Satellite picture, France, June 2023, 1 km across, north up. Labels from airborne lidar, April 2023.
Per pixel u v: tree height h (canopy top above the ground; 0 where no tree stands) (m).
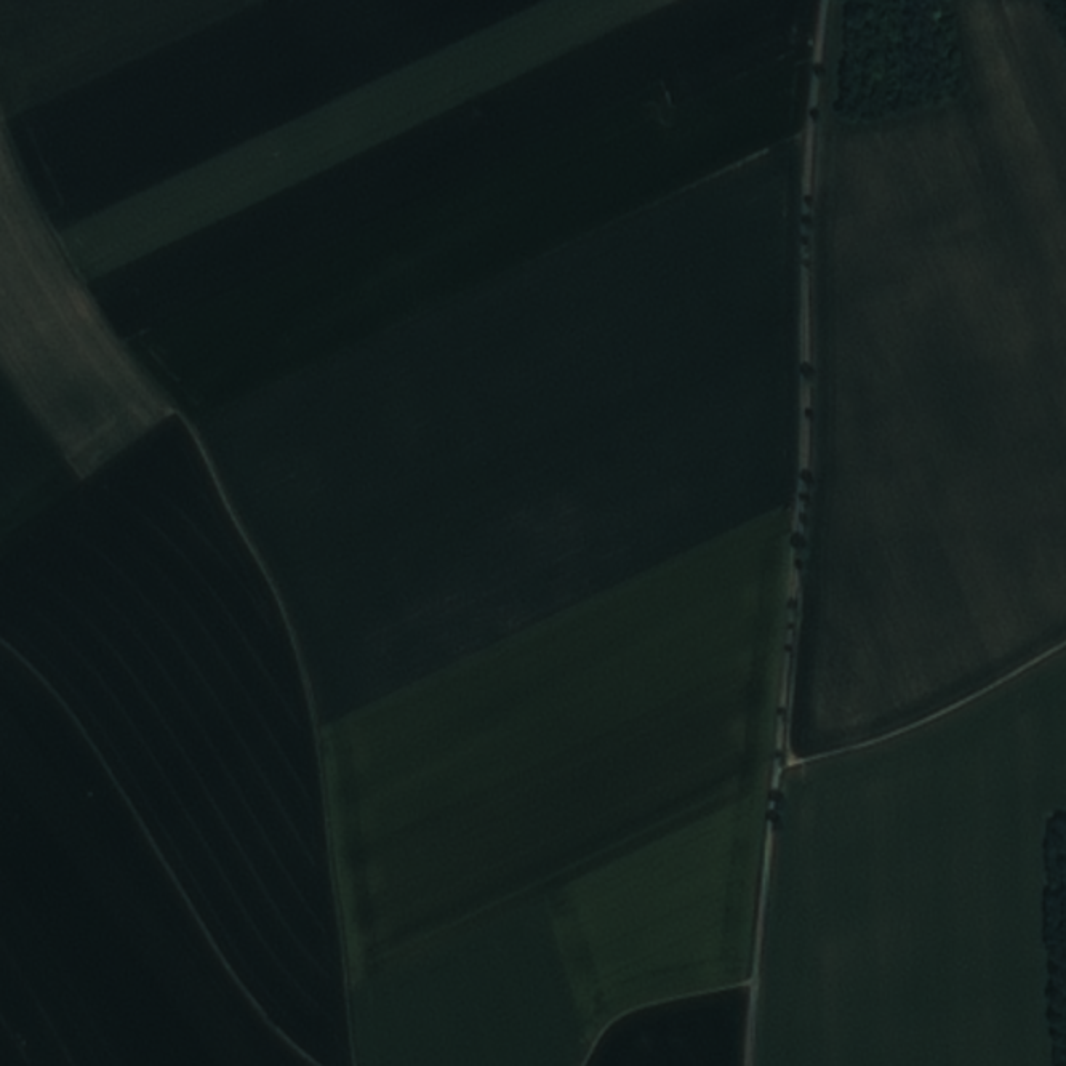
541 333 0
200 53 0
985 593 0
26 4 0
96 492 0
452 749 0
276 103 0
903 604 0
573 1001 0
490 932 0
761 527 0
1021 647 0
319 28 0
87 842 0
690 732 0
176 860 0
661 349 0
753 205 0
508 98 0
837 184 0
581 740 0
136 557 0
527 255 0
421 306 0
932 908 0
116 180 0
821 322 0
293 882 0
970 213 0
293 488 0
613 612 0
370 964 0
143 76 0
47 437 0
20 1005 0
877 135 0
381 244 0
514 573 0
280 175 0
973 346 0
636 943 0
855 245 0
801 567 10
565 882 0
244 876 0
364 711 0
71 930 0
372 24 0
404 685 0
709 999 0
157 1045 0
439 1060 0
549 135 0
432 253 0
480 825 0
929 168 0
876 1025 0
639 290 0
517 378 0
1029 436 0
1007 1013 0
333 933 0
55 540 0
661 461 0
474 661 0
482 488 0
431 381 0
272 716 0
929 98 13
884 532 0
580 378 0
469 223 0
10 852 0
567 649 0
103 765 0
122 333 0
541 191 0
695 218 0
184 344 0
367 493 0
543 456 0
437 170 0
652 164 0
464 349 0
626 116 0
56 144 0
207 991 0
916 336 0
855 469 0
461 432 0
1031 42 0
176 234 0
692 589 0
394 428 0
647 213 0
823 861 0
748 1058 0
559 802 0
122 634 0
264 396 0
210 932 0
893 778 0
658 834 0
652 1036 0
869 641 0
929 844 0
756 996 0
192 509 0
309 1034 0
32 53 0
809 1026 0
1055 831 19
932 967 0
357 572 0
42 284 0
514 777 0
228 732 0
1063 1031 8
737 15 0
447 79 0
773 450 0
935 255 0
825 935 0
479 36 0
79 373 0
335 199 0
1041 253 0
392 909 0
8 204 0
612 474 0
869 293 0
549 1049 0
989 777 0
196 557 0
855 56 12
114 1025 0
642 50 0
